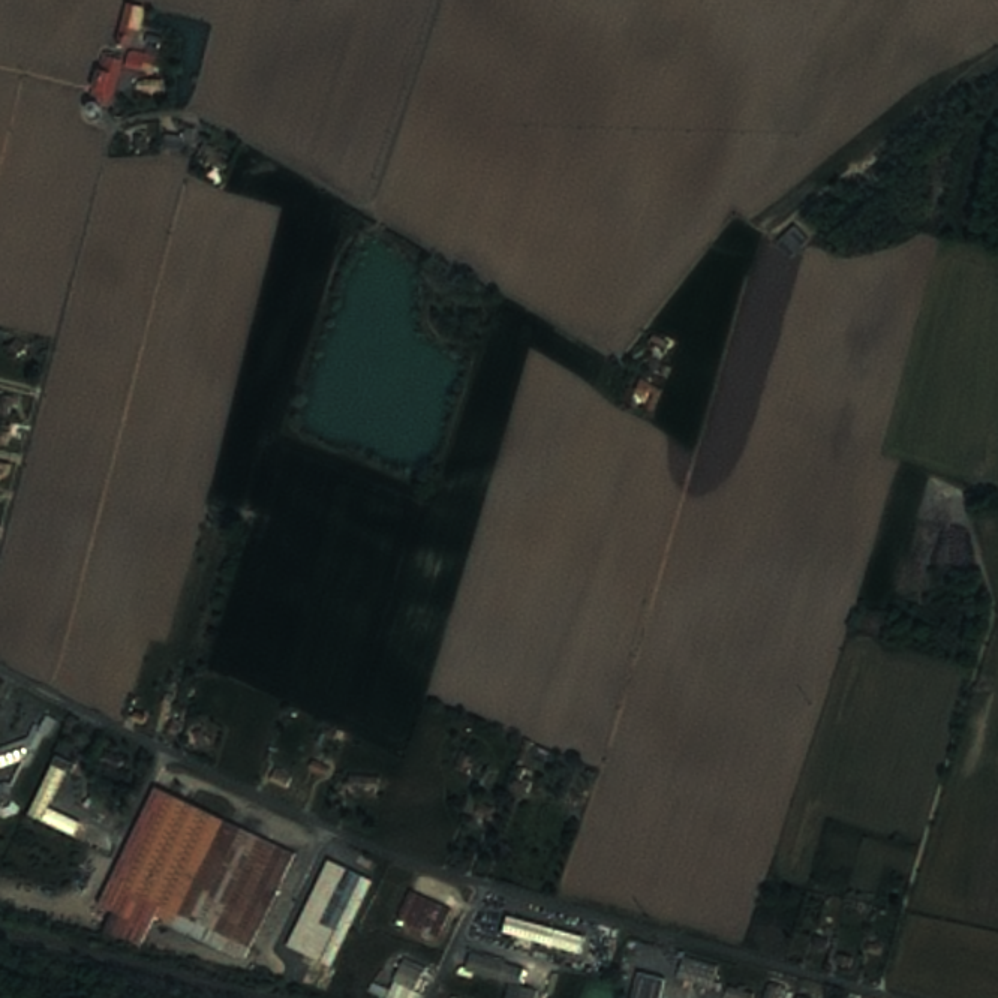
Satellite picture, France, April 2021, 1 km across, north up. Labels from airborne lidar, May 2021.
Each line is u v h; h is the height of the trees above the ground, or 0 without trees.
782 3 0
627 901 0
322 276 0
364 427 0
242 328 0
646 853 0
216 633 6
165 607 0
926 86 0
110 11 0
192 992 13
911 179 18
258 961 0
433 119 0
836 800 0
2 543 0
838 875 0
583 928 0
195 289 0
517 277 0
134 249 0
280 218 0
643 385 0
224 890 0
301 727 0
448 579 0
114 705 0
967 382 0
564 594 0
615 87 0
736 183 0
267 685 0
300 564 0
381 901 0
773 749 0
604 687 0
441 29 0
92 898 0
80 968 9
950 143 20
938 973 0
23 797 0
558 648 0
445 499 0
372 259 0
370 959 0
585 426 0
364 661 0
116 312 0
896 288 0
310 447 0
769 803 0
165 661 0
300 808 0
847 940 0
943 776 12
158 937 0
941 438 0
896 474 0
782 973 0
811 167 0
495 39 0
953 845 0
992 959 0
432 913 0
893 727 0
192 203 0
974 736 0
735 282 0
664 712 0
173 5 0
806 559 0
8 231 0
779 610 0
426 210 0
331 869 0
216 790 0
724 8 0
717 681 0
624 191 0
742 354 0
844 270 0
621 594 0
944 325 0
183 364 0
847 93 0
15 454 0
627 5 0
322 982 0
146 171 0
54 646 0
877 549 0
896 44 0
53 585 0
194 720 6
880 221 22
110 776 11
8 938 16
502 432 0
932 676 0
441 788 0
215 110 0
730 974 0
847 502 0
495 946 0
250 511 0
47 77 0
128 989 15
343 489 0
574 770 18
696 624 0
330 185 0
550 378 0
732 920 0
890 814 0
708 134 0
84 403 0
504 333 0
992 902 0
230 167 7
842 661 0
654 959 0
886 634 8
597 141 0
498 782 0
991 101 19
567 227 0
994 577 0
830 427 0
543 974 0
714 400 0
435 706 10
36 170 0
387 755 0
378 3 0
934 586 0
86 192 0
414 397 0
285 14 0
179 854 0
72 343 0
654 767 0
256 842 0
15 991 25
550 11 0
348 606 0
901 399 0
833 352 0
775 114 0
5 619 0
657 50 0
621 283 0
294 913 0
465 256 0
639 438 0
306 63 0
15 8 0
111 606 0
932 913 0
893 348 0
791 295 0
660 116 0
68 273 0
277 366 0
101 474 0
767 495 0
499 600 0
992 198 23
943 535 0
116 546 0
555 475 0
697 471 0
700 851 0
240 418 0
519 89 0
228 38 0
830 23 0
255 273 0
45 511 0
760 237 0
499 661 0
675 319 0
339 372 0
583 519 0
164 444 0
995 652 0
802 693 0
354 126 0
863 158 0
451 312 10
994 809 0
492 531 0
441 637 0
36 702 0
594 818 0
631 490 0
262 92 0
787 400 0
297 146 0
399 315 0
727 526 0
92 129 0
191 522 0
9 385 0
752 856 0
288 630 0
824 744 0
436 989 0
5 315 0
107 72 0
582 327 0
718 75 0
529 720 0
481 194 0
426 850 0
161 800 0
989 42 0
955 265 0
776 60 0
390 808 0
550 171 0
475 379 0
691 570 0
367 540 0
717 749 0
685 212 0
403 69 0
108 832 0
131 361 0
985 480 0
